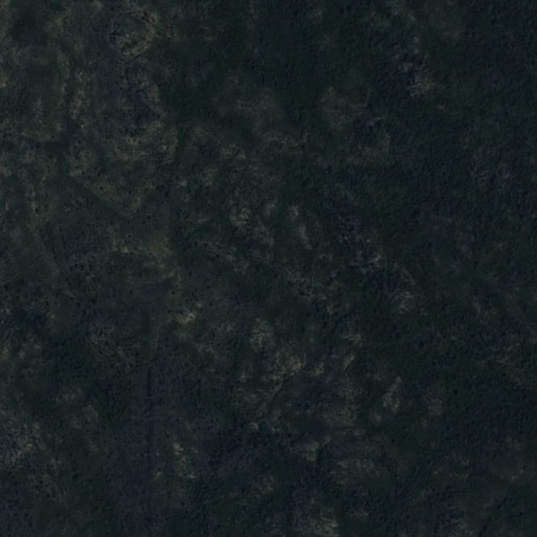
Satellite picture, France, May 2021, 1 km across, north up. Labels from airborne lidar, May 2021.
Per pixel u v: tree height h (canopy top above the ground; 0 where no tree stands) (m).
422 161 7
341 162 8
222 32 7
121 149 10
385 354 7
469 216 9
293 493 16
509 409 13
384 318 9
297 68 14
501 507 11
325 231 14
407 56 10
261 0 9
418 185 6
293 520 15
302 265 7
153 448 19
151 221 5
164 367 17
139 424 8
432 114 7
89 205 8
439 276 5
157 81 11
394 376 6
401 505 13
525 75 7
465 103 6
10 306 7
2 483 7
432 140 6
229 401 7
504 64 7
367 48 12
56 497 10
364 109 10
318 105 7
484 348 14
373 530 7
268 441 11
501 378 15
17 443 8
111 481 9
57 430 13
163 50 6
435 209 6
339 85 8
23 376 7
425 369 7
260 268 10
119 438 8
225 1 10
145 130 10
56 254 14
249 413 11
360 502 18
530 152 6
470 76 7
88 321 13
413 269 7
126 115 8
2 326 5
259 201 9
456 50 9
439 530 14
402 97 9
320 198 6
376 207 7
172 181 15
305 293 14
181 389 8
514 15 6
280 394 9
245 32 5
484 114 7
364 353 8
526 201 11
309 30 12
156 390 24
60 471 7
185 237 19
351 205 6
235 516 7
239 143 6
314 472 18
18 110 13
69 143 0
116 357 12
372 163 10
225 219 5
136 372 8
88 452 10
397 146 7
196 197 5
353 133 12
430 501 8
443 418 7
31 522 18
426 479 9
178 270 0
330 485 20
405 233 11
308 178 9
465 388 6
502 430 6
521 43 6
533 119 8
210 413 6
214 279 7
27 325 11
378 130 14
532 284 8
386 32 8
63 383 8
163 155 10
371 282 8
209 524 11
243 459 15
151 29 0
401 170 8
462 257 6
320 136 9
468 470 14
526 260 6
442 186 7
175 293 7
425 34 5
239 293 6
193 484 7
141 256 7
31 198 8
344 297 9
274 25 6
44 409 7
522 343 7
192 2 15
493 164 6
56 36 0
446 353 6
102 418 8
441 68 6
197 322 7
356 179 6
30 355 6
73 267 7
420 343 9
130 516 14
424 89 7
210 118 8
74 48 0
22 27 13
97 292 8
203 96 5
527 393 16
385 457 10
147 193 9
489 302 9
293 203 7
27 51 18
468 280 5
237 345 7
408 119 7
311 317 16
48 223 9
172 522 6
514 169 7
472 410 9
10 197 0
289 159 9
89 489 10
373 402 8
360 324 7
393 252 8
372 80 10
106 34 12
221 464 19
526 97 7
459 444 6
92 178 8
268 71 11
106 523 10
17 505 21
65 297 8
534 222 8
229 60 8
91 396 16
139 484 17
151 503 18
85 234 9
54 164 0
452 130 6
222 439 16
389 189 7
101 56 13
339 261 6
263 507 9
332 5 9
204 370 10
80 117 0
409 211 7
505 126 5
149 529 18
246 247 7
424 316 7
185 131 8
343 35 8
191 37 9
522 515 13
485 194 6
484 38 7
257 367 7
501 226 6
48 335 8
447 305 15
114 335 7
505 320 8
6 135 17
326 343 12
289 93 6
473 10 10
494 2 10
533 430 14
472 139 8
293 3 6
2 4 0
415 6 6
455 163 10
